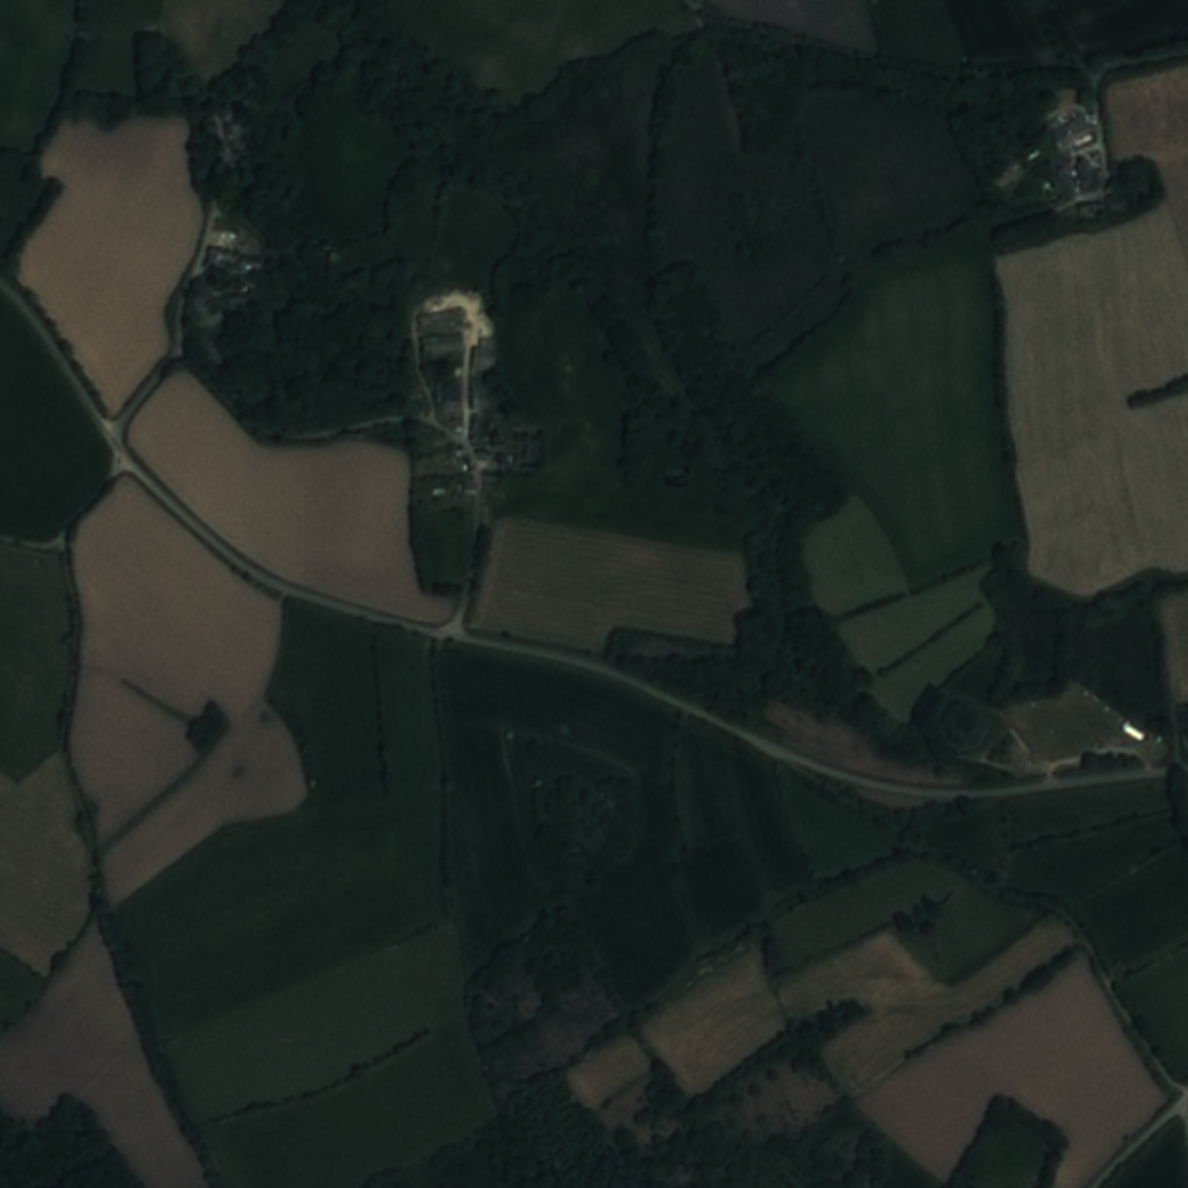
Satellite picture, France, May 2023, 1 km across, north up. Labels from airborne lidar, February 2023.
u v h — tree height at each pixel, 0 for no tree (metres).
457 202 0
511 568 0
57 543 0
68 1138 12
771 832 0
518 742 0
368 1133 0
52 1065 0
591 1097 0
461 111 6
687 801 0
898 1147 0
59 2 0
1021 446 0
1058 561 0
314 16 10
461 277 0
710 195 0
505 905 0
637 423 14
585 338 0
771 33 11
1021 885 0
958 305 0
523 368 0
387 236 9
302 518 0
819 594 0
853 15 0
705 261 0
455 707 0
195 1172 0
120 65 0
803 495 13
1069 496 0
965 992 0
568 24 0
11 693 0
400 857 0
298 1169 0
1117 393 0
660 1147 10
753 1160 8
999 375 10
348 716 0
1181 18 0
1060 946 0
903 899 0
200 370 9
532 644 0
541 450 8
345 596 0
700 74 0
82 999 0
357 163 0
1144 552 0
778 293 0
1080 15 0
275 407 13
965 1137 0
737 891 0
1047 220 10
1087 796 0
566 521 0
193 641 0
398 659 0
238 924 0
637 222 0
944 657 0
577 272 17
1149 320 0
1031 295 0
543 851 0
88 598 0
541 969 8
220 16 0
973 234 0
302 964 0
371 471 0
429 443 0
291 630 0
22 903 0
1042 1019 0
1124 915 0
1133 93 0
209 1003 0
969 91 17
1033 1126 10
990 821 0
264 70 11
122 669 0
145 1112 0
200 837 0
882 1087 0
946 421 0
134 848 0
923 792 0
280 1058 0
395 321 7
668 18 0
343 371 18
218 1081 0
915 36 0
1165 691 8
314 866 0
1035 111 16
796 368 0
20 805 0
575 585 0
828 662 20
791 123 9
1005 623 0
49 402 0
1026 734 0
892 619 0
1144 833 0
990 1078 0
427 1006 0
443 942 0
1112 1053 0
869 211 0
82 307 0
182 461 0
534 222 11
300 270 8
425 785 0
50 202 9
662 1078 10
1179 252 0
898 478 0
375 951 0
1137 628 0
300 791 0
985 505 0
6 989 0
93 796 0
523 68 0
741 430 13
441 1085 0
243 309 7
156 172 0
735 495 8
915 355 0
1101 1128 0
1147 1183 0
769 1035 0
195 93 7
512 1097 6
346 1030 0
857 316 0
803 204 0
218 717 6
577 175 0
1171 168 0
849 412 0
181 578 0
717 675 15
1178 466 0
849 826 0
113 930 13
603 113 0
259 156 10
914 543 0
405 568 0
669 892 0
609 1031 9
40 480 0
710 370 14
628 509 0
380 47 10
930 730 26
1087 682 13
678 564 0
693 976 0
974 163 9
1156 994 0
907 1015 0
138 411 0
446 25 0
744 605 0
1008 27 0
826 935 0
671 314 15
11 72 0
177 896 0
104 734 0
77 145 0
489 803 0
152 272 0
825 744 0
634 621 0
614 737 0
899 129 0
